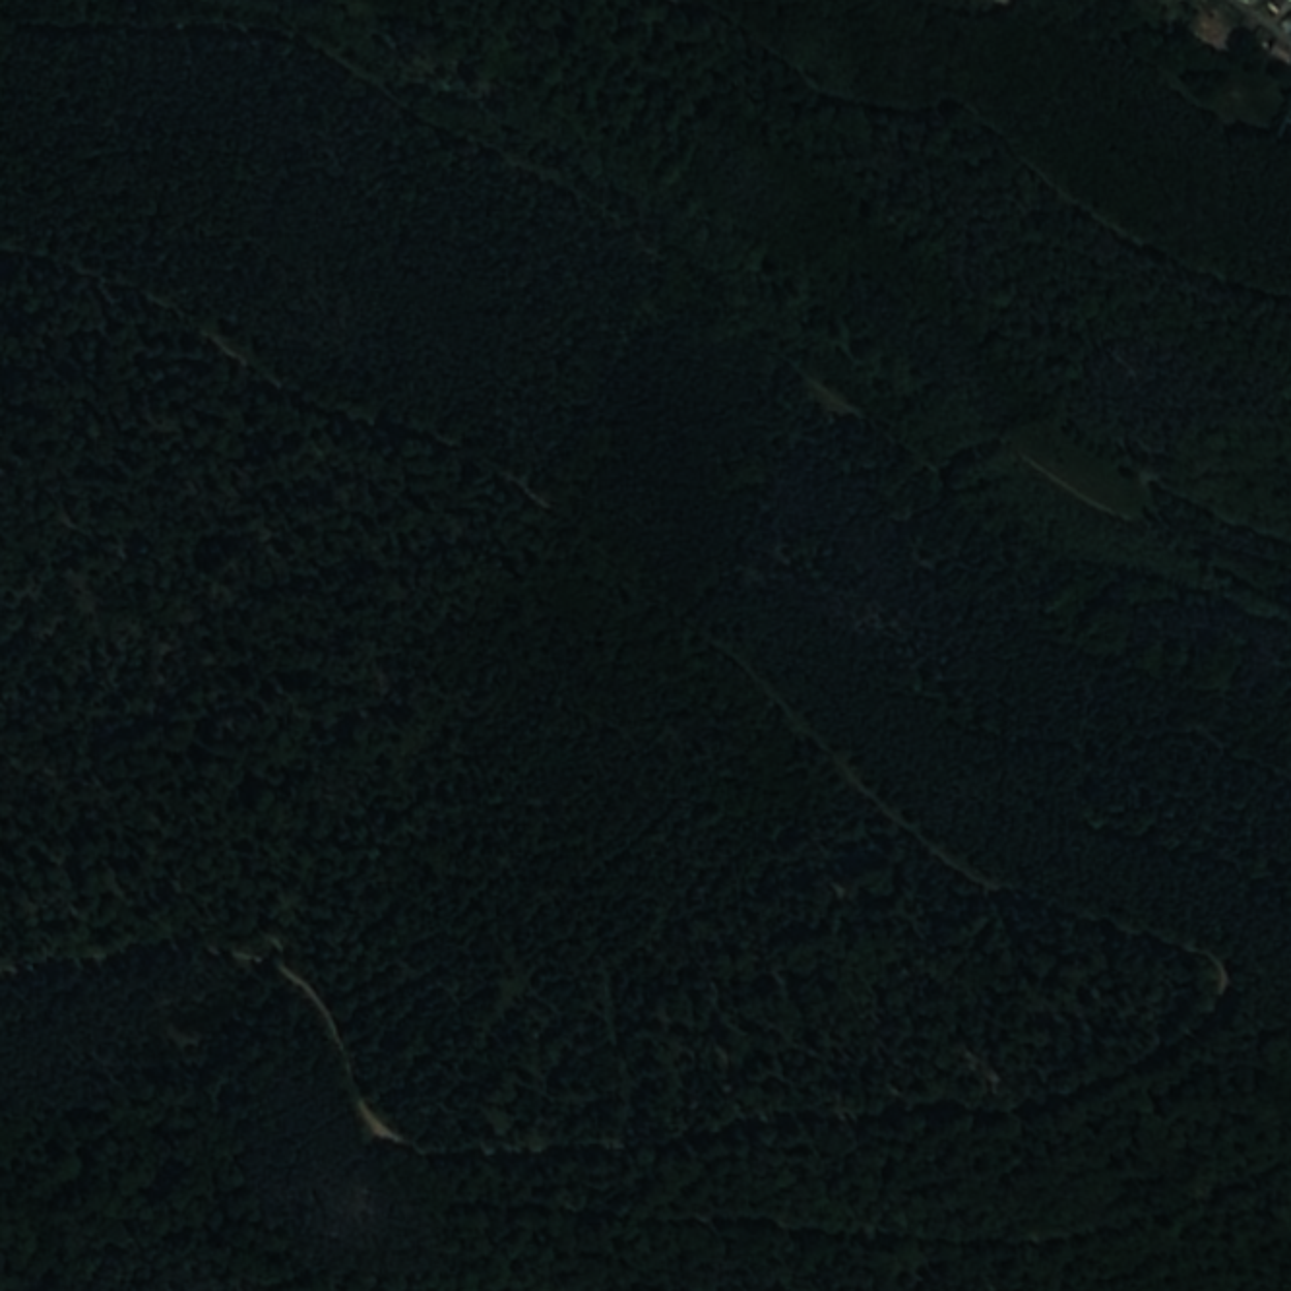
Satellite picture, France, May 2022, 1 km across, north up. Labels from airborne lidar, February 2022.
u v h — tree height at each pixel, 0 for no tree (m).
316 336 25
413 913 16
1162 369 28
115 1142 37
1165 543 23
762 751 13
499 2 27
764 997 35
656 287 19
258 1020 27
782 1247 28
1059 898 25
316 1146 22
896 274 20
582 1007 16
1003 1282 13
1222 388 22
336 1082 22
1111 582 31
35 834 20
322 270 28
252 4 24
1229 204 18
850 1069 7
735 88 24
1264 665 32
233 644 9
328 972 28
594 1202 15
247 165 21
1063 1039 31
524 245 24
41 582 10
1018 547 19
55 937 30
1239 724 17
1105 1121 23
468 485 37
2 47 16
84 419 34
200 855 32
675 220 27
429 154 23
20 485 35
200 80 24
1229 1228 22
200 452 37
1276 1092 29
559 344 22
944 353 19
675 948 16
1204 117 13
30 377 37
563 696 15
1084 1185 28
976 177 26
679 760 8
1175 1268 11
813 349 18
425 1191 19
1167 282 27
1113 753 20
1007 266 25
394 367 25
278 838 31
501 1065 14
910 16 15
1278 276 20
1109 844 25
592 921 11
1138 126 16
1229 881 22
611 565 13
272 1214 25
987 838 28
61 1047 33
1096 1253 8
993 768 28
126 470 41
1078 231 25
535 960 12
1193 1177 30
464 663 7
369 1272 22
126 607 11
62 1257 35
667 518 19
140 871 31
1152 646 25
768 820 13
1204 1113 36
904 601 26
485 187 23
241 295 27
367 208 27
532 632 10
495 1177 16
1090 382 28
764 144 17
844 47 15
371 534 37
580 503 19
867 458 15
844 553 27
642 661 15
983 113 14
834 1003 36
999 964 33
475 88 17
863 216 33
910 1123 35
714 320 16
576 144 21
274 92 25
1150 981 29
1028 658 16
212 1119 34
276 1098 26
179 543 30
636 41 24
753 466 16
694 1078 11
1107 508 0
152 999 28
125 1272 33
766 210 17
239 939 30
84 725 18
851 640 26
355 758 31
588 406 16
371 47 22
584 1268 29
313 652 30
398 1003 12
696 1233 25
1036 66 15
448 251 25
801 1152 30
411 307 29
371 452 36
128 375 16
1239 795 20
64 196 23
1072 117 17
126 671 18
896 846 26
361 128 21
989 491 18
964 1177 31
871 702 29
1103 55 16
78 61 24
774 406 20
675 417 19
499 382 27
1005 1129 30
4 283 37
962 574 15
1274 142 17
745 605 28
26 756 34
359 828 28
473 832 17
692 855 13
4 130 20
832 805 14
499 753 11
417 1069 19
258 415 36
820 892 36
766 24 19
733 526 23
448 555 34
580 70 25
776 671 28
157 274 15
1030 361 26
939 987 11
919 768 28
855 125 25
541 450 22
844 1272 31
